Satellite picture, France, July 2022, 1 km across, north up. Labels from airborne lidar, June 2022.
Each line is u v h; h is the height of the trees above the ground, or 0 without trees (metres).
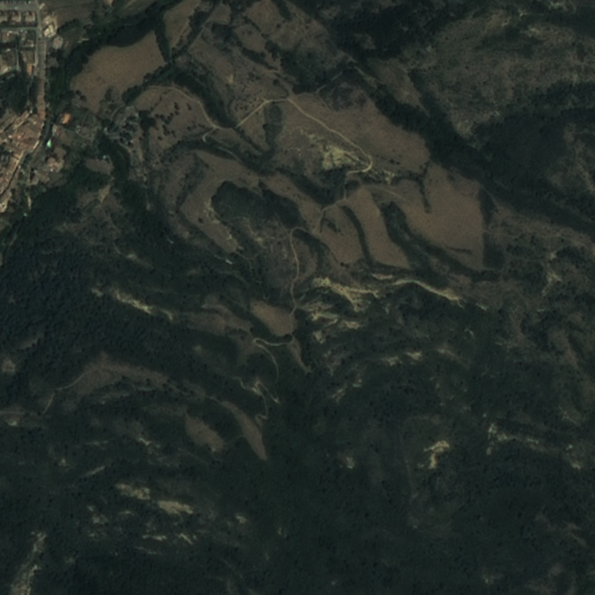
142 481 0
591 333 0
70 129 6
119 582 7
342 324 0
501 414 0
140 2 0
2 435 8
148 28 12
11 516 7
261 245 0
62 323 9
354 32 10
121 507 7
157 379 0
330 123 0
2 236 8
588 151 0
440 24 9
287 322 0
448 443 0
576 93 9
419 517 0
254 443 0
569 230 0
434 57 0
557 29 0
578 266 6
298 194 0
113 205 0
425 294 7
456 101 0
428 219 0
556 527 0
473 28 0
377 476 0
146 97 0
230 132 0
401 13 12
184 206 0
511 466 0
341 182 10
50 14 0
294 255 0
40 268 11
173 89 0
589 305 8
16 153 0
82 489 7
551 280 0
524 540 7
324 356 0
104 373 0
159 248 6
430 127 10
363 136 0
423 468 0
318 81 6
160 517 10
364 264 0
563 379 0
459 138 10
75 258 10
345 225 0
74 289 7
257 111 0
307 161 0
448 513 0
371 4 7
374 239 0
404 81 0
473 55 0
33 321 11
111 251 9
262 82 0
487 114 0
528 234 0
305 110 0
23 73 7
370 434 0
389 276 0
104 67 0
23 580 0
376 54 11
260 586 9
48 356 8
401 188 0
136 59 0
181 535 0
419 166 0
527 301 0
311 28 0
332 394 0
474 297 0
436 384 0
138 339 8
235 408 0
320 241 0
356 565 6
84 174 7
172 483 0
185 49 6
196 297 0
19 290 12
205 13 9
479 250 0
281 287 0
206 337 0
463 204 0
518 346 0
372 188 0
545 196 10
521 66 0
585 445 0
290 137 0
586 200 8
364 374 0
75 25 16
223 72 0
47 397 0
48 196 7
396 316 0
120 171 8
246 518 0
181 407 0
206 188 0
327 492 13
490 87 0
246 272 8
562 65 0
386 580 7
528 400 6
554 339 0
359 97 0
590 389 0
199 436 0
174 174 0
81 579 11
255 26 7
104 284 7
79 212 11
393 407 9
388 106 9
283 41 0
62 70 12
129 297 0
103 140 10
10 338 14
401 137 0
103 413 6
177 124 0
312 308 0
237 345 0
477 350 0
